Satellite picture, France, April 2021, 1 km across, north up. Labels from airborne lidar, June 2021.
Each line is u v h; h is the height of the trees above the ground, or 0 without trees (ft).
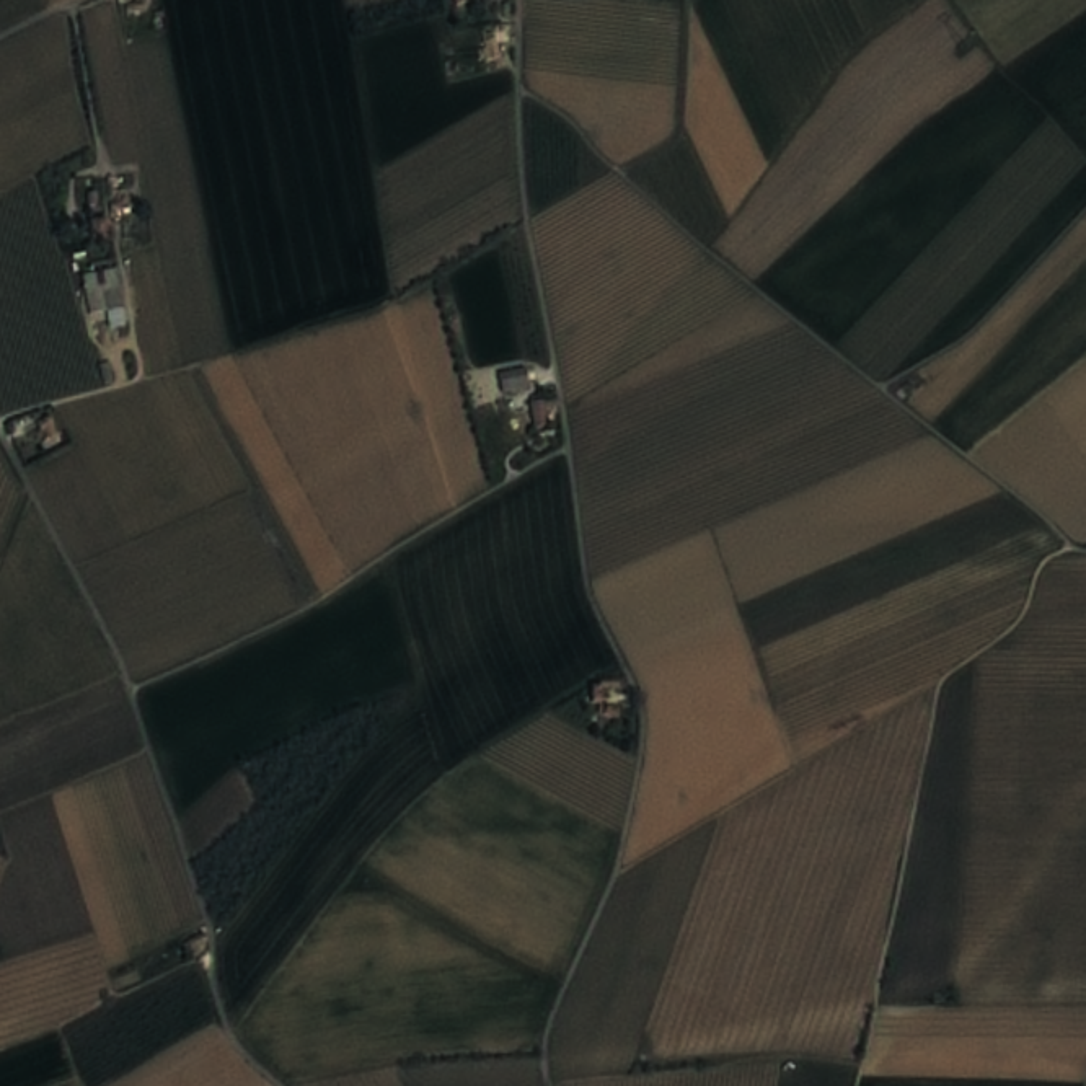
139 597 0
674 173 0
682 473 0
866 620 0
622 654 0
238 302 0
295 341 0
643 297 0
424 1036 0
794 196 0
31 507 0
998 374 0
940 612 0
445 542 0
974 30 0
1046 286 0
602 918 0
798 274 0
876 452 0
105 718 0
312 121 0
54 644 0
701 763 0
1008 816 0
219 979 0
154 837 0
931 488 0
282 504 0
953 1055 0
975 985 0
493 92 0
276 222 0
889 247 0
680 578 0
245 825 27
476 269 0
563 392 0
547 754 0
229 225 0
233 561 0
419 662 0
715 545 0
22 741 0
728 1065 0
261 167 0
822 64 0
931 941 0
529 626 0
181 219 0
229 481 0
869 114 0
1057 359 0
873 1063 0
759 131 0
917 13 0
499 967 0
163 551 0
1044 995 0
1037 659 0
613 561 0
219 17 0
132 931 0
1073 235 0
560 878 0
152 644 0
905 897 0
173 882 0
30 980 0
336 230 0
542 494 0
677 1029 0
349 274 0
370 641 0
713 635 0
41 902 0
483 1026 0
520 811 0
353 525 0
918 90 0
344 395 0
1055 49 0
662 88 0
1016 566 0
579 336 0
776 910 0
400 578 0
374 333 0
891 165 0
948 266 0
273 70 0
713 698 0
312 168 0
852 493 0
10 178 0
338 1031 0
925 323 0
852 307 0
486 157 0
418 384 0
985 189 0
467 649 0
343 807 0
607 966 0
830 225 0
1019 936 0
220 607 0
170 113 0
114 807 0
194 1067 0
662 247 0
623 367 0
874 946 0
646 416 0
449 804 0
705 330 0
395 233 0
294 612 0
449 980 0
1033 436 0
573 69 0
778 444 0
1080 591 0
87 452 0
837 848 0
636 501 0
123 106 0
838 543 0
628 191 0
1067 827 0
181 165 0
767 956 0
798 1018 0
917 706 0
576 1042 0
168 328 0
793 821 0
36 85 0
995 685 0
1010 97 0
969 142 0
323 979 0
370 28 39
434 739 0
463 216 0
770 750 0
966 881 0
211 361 0
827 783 0
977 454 0
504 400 25
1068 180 0
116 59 0
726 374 0
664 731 0
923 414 0
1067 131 0
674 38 0
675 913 0
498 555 0
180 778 0
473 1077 0
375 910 0
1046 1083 0
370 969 0
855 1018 0
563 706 29
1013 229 0
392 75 0
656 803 0
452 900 0
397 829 0
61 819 0
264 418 0
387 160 0
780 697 0
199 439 0
